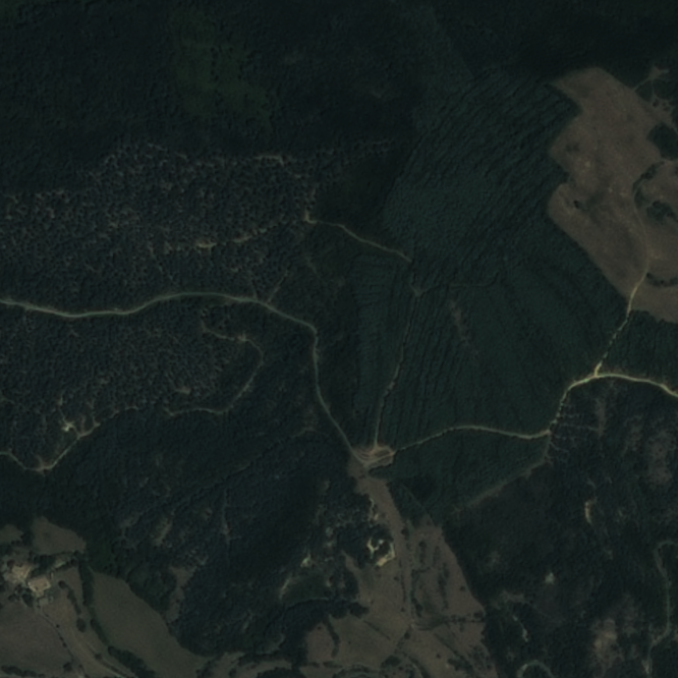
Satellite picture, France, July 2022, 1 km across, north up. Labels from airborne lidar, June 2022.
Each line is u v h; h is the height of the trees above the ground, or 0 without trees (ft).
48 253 45
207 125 22
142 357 53
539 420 21
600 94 0
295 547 31
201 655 20
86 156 22
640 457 26
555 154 0
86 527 42
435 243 40
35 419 43
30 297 50
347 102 25
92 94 33
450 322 31
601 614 27
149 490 28
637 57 25
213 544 24
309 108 35
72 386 48
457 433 30
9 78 38
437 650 0
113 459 30
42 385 47
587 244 0
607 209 0
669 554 30
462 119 41
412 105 38
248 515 28
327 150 31
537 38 31
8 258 54
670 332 27
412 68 52
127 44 63
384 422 36
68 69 43
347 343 20
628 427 30
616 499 35
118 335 57
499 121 40
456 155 45
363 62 22
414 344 32
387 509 0
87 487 31
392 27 44
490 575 34
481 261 41
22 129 28
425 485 44
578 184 0
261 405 24
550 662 24
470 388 23
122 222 43
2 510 38
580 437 33
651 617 28
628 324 22
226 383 24
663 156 20
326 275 20
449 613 0
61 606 0
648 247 0
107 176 52
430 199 50
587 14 26
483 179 40
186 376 42
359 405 31
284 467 32
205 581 38
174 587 24
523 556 20
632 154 0
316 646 0
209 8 54
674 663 35
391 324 30
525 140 40
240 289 44
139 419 29
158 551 30
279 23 33
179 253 51
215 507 26
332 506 31
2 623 0
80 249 57
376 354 30
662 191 0
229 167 55
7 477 55
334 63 21
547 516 25
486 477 25
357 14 20
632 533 37
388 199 47
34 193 30
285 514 32
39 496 48
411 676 23
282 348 24
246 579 29
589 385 24
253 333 23
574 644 26
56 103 24
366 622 0
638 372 26
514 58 32
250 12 40
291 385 18
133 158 53
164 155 36
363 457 0
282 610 25
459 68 50
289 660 25
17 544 28
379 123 40
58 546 0
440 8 36
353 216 21
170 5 59
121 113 34
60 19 70
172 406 51
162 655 0
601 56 29
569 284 33
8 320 42
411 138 41
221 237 41
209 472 20
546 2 42
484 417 21
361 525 23
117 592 0
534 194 32
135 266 48
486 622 24
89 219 49
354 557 19
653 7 22
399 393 30
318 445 38
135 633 0
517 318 29
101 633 38
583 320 25
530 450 28
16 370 49
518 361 25
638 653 20
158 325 40
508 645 25
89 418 25
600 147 0
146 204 55
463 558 30
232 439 20
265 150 43
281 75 29
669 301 0
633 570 31
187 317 67
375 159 39
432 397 33
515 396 27
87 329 59
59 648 0
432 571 0
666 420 25
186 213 44
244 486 44
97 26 72
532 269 22
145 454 18
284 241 52
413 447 26
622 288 0
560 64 44
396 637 0
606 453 39
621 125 0
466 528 22
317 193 28
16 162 43
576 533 23
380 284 28
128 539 28
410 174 44
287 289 20
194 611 34
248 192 34
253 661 23
